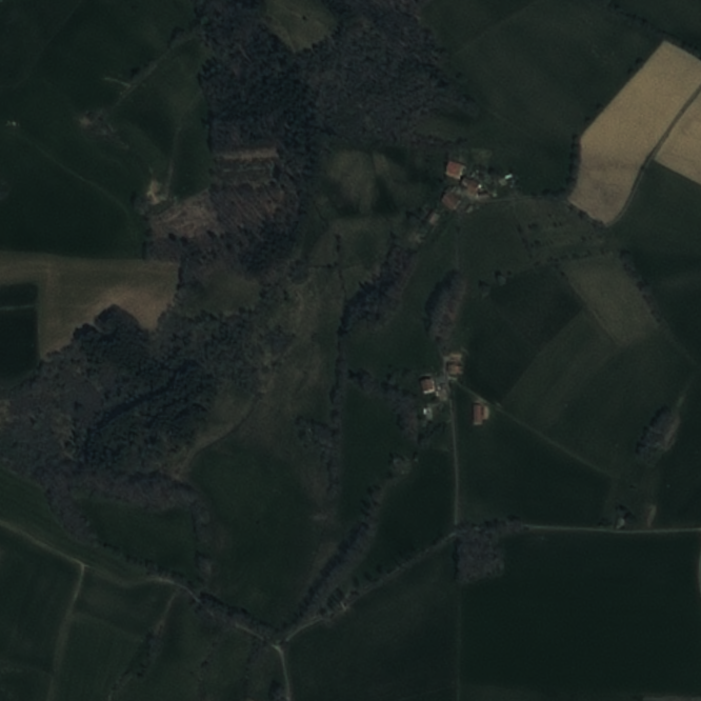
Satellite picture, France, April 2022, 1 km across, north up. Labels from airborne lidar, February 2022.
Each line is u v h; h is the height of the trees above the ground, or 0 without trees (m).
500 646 0
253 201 29
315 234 0
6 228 0
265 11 31
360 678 0
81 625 0
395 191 0
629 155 0
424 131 0
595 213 0
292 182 27
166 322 16
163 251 20
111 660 0
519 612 0
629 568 0
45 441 8
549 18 0
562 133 0
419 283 0
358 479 0
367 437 0
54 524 0
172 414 30
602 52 0
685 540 0
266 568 0
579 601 0
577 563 0
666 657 0
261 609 0
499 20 0
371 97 11
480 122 0
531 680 0
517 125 0
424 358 0
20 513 0
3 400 0
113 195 0
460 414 0
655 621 0
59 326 0
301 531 0
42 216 0
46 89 0
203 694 0
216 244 23
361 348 0
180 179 0
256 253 20
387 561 0
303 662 0
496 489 0
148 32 0
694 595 0
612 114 0
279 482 0
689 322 0
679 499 0
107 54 0
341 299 0
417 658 0
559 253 0
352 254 0
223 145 25
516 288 0
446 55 16
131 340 32
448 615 0
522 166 0
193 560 0
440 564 0
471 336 0
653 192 0
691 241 0
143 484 23
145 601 0
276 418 0
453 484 0
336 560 0
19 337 0
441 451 0
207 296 0
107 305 0
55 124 0
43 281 0
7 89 0
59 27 0
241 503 0
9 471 10
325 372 0
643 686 0
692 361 0
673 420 20
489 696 0
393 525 0
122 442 18
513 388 0
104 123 5
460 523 0
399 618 0
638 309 0
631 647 0
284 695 25
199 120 0
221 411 0
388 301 23
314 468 0
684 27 0
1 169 0
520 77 0
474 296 0
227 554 0
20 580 0
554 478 0
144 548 0
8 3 0
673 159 0
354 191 0
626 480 0
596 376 0
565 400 0
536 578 0
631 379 0
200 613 15
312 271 0
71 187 0
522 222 0
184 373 8
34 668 0
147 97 0
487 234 0
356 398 0
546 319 0
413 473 0
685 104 0
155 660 13
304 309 0
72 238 0
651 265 0
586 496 0
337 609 18
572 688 0
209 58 0
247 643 0
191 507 19
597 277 0
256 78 9
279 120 24
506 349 0
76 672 0
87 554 0
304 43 0
